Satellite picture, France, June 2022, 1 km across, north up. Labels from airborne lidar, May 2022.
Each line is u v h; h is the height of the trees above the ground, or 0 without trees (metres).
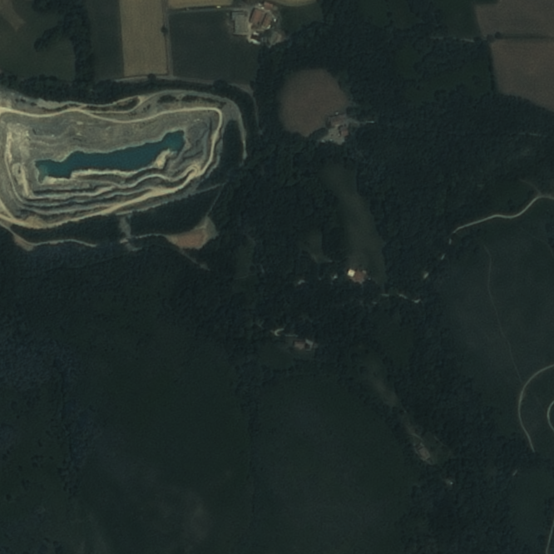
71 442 11
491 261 0
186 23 0
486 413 10
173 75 0
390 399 0
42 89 12
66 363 23
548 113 10
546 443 0
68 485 20
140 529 0
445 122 13
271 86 20
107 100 12
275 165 30
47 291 10
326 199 25
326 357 12
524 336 0
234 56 0
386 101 16
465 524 13
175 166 0
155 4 0
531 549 9
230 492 0
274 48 15
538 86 0
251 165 22
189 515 0
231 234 16
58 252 9
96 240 11
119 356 0
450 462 10
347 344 12
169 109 0
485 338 0
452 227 13
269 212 15
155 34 0
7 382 27
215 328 17
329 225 21
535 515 0
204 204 11
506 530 9
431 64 15
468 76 0
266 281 18
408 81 8
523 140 11
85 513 0
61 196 0
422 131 11
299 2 0
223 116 0
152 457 0
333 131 0
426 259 17
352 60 16
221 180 7
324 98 0
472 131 15
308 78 0
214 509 0
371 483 0
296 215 18
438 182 16
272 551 0
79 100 13
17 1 0
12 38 0
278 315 16
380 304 11
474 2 0
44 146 0
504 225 0
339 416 0
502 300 0
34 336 7
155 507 0
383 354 13
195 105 0
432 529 8
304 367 13
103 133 0
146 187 0
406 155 10
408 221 10
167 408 0
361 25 16
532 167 14
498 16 0
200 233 0
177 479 0
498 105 14
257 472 7
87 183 0
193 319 8
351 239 0
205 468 0
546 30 0
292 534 0
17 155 0
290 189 27
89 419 23
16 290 9
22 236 8
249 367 25
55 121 0
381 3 0
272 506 0
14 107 0
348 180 0
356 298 12
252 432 13
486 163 8
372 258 0
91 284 8
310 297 21
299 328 16
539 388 0
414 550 15
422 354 17
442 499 27
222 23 0
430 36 10
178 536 0
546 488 0
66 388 23
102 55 0
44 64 0
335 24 16
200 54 0
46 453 0
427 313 11
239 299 11
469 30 0
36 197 0
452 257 14
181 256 7
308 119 0
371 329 18
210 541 0
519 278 0
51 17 0
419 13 16
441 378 21
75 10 18
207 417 0
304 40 26
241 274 0
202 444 0
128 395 0
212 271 8
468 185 9
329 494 0
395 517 0
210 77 0
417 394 16
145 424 0
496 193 0
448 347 11
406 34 9
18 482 0
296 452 0
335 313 16
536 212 0
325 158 18
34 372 28
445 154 18
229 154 6
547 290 0
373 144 13
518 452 27
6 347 32
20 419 11
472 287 0
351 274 0
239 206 18
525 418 0
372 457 0
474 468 25
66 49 0
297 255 19
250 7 0
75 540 0
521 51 0
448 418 13
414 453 9
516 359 0
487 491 24
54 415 7
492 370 0
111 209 0
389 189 17
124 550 0
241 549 0
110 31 0
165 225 11
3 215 0
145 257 10
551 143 11
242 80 0
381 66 18
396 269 22
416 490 17
